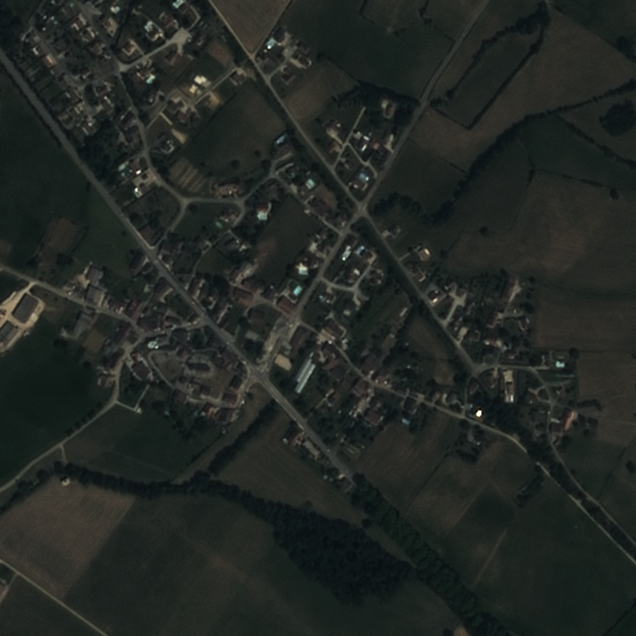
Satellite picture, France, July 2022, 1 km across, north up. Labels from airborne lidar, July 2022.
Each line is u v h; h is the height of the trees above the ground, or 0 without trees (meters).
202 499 0
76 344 0
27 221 0
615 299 0
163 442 0
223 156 0
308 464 0
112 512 0
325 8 0
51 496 0
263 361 0
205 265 0
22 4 0
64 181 0
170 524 0
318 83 0
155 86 8
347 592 24
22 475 0
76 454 0
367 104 16
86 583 0
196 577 0
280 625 0
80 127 0
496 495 0
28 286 0
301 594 0
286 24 0
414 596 0
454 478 0
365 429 13
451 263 0
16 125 0
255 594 0
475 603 27
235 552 0
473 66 5
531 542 0
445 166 0
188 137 0
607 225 0
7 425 0
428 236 0
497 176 0
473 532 0
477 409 0
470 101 0
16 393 0
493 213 0
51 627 0
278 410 12
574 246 0
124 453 0
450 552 0
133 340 0
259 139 0
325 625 0
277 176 0
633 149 0
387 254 0
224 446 0
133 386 12
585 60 0
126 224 0
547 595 0
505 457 0
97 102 7
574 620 0
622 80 0
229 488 15
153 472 0
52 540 0
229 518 0
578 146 0
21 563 0
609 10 0
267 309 0
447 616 0
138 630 0
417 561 27
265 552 0
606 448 0
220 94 0
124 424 0
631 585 0
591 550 0
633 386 0
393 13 0
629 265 0
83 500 0
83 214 0
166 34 8
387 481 0
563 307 0
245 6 0
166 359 0
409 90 0
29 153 0
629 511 0
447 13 0
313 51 0
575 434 0
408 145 0
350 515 0
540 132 0
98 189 0
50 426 0
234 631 0
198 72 0
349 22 0
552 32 0
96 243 0
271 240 0
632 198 0
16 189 0
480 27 0
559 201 0
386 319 0
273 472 0
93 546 0
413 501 0
